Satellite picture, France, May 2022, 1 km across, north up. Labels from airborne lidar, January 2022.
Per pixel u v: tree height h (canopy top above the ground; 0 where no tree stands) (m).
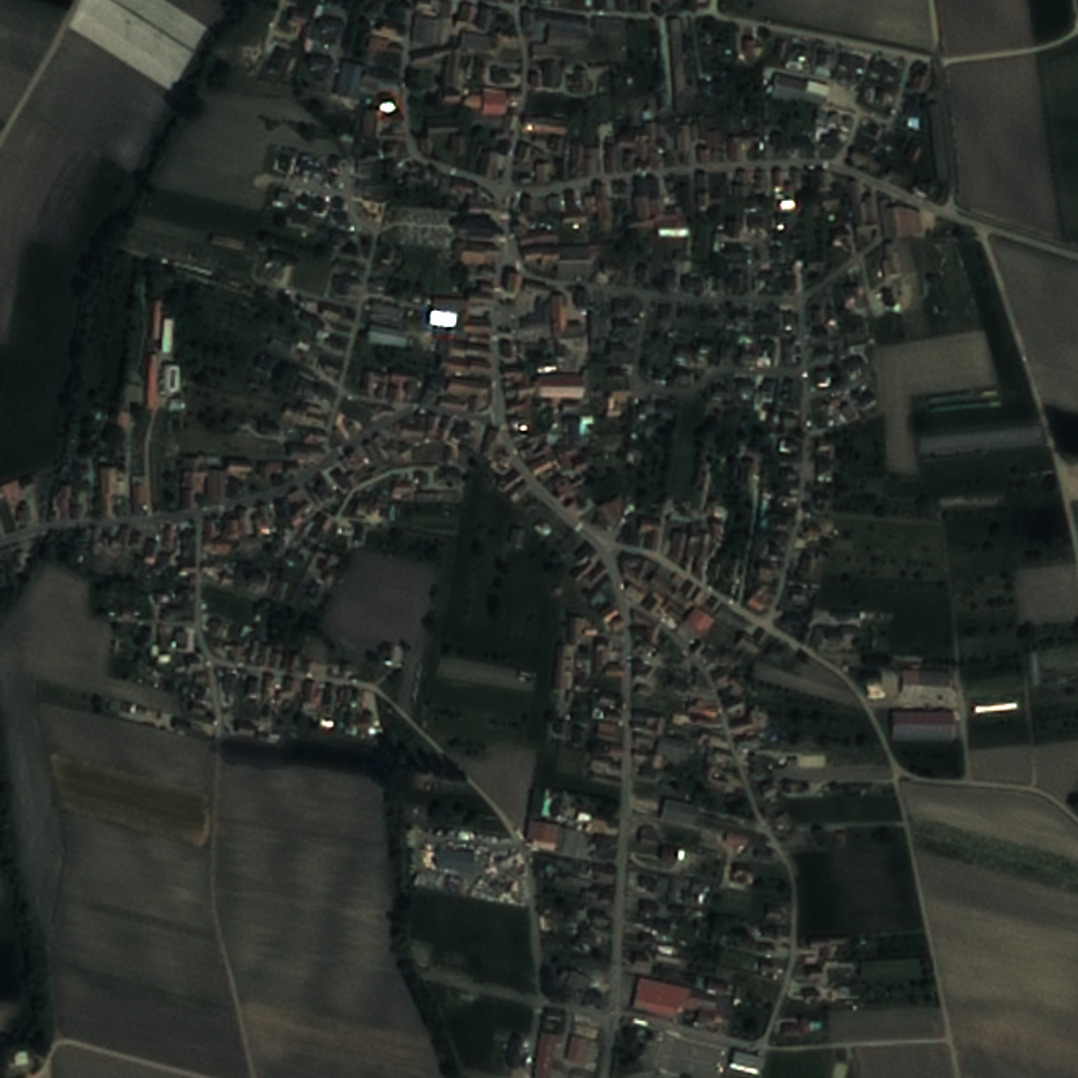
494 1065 0
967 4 0
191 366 10
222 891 0
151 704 0
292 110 0
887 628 0
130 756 0
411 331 0
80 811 0
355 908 0
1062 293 0
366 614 0
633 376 0
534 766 0
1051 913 0
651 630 0
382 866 0
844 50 0
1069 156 0
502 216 0
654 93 10
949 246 0
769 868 0
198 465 0
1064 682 0
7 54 0
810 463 0
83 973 0
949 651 0
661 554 0
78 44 0
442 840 0
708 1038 0
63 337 0
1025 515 0
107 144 0
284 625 11
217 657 0
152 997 0
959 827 0
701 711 0
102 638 0
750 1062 0
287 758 0
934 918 0
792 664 0
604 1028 0
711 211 11
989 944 0
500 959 0
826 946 0
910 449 0
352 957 0
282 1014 0
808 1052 0
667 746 0
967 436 0
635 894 0
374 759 0
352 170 0
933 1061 0
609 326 0
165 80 0
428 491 0
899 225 0
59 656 0
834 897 0
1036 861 0
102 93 0
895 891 0
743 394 0
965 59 0
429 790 0
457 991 0
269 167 0
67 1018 0
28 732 0
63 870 0
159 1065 0
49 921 0
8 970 0
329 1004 0
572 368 0
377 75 0
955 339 0
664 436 12
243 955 0
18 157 0
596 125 0
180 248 0
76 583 0
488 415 0
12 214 0
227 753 0
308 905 0
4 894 0
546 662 0
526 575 0
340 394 0
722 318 0
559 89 0
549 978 18
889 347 0
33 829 0
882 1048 0
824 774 0
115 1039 0
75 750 0
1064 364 0
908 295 0
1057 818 0
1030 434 0
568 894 0
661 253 0
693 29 0
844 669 0
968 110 0
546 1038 0
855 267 0
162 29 0
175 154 0
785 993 0
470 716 0
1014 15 0
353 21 6
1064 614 0
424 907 0
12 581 6
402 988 0
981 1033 0
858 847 0
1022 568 0
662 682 0
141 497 0
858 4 0
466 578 0
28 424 0
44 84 0
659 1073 0
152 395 0
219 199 0
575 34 0
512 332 0
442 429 0
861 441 0
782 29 0
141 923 0
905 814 0
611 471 8
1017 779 0
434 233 0
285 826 0
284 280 0
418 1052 0
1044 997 0
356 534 0
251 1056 0
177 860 0
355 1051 0
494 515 0
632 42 0
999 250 0
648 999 0
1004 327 0
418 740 0
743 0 0
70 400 13
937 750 0
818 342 0
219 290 0
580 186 0
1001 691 0
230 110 0
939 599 0
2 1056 19
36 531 0
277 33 0
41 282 0
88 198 0
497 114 0
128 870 0
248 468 0
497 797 0
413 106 7
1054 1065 0
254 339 0
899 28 0
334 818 0
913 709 0
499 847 0
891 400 0
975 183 0
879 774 0
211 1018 0
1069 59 0
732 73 9
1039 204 0
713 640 0
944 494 0
